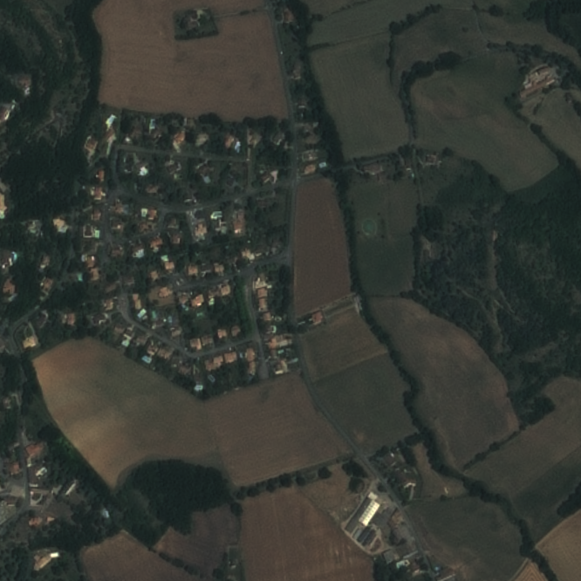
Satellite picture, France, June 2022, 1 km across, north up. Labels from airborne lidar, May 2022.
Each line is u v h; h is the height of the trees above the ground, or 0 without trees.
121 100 0
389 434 0
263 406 0
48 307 15
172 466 20
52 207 11
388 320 0
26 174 17
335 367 0
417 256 9
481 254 9
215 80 0
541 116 0
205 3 0
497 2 0
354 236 9
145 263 8
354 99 0
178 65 0
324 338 0
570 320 8
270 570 0
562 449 0
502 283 10
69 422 0
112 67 0
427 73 15
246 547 0
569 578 0
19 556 7
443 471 14
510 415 0
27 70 8
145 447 0
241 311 13
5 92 13
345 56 0
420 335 0
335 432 0
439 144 0
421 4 0
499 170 0
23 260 12
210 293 0
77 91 8
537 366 9
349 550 0
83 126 12
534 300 7
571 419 0
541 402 14
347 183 13
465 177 9
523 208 14
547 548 0
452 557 0
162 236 6
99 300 6
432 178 5
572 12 20
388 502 0
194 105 0
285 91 0
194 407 0
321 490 0
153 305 9
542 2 6
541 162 0
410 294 10
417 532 0
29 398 13
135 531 14
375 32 0
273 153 9
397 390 0
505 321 17
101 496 18
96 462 0
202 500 16
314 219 0
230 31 0
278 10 10
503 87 0
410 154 14
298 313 0
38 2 0
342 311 0
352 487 0
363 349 0
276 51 0
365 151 0
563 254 10
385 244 0
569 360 9
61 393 0
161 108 0
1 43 8
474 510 0
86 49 11
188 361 9
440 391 0
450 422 0
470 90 0
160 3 0
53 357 0
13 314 12
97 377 0
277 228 8
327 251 0
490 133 0
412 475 0
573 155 0
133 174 10
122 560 0
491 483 0
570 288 6
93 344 0
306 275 0
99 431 0
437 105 0
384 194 0
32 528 6
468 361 0
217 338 8
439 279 19
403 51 0
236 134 12
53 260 10
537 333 6
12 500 0
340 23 0
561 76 19
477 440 0
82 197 10
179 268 12
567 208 14
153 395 0
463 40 0
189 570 16
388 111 0
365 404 0
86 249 6
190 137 18
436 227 10
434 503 0
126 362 0
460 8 0
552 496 0
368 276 0
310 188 0
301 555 0
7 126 10
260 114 0
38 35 6
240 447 0
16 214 9
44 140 12
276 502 0
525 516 0
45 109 8
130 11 0
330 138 21
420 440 25
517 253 7
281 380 0
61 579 9
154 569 0
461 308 12
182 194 11
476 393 0
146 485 13
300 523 0
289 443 0
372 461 9
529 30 0
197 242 8
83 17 13
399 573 10
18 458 7
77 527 10
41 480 0
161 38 0
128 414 0
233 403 0
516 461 0
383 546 0
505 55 0
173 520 13
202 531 0
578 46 7
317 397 0
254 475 0
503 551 0
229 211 0
